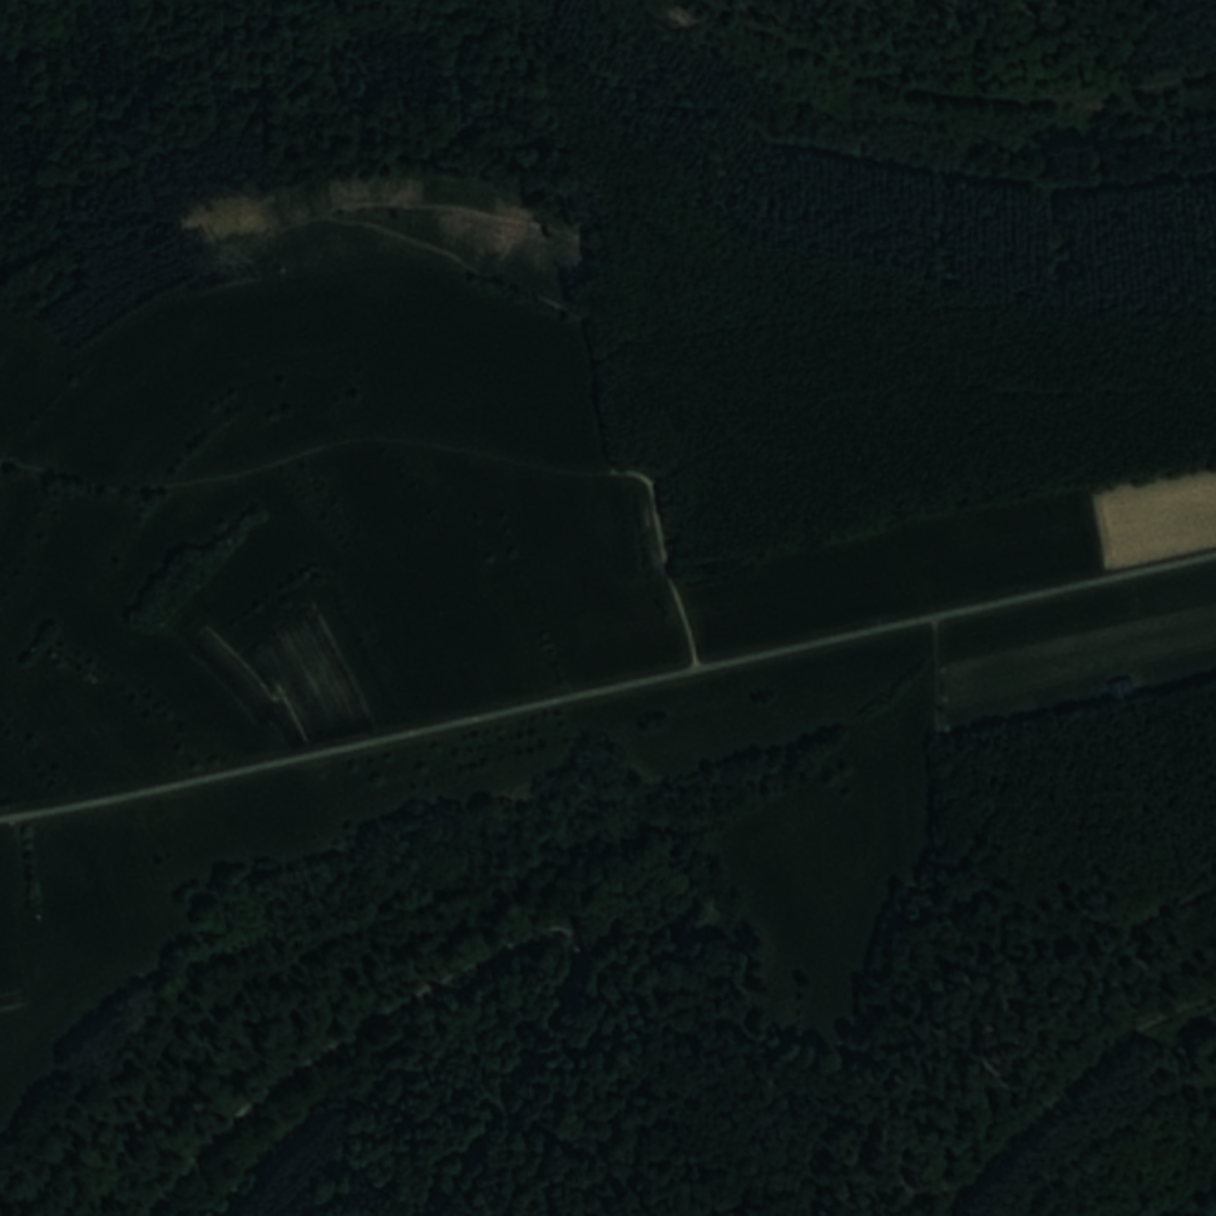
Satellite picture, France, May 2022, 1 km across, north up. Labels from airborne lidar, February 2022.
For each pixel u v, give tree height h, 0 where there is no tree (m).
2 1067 0
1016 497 12
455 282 0
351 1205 35
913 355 19
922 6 32
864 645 0
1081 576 0
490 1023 40
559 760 0
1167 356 18
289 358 0
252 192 25
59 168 29
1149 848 17
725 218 21
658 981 35
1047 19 32
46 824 0
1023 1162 28
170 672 0
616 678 0
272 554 0
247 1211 31
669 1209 32
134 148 32
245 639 0
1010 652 0
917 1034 32
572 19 16
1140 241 18
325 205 0
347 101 20
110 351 0
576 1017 36
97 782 0
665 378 17
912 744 0
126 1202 37
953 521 0
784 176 19
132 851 0
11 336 0
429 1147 37
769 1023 9
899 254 21
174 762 0
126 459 0
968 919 29
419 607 0
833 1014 0
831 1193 33
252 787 0
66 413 0
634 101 18
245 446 0
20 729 0
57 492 11
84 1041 25
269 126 32
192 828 0
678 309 17
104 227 20
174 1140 35
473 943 34
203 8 25
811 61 14
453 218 0
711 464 18
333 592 0
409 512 0
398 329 0
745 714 0
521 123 28
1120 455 18
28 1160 27
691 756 0
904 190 21
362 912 31
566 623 0
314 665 0
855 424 16
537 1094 35
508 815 18
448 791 0
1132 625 0
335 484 0
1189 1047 35
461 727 0
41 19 28
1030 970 29
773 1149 30
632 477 0
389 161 21
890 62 31
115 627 0
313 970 39
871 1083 31
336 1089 19
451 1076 39
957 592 0
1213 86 13
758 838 0
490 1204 36
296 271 0
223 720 0
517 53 29
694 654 0
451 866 27
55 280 17
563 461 0
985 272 21
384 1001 37
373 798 0
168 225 20
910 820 0
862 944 0
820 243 22
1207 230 21
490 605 0
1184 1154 21
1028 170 13
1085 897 25
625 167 18
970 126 7
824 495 17
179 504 0
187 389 0
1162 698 15
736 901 22
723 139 20
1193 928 10
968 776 18
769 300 18
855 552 0
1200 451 18
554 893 35
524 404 0
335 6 30
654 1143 34
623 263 18
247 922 26
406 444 0
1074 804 20
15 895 0
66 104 30
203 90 26
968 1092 30
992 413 16
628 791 26
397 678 0
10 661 0
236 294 0
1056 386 17
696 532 18
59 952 0
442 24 21
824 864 0
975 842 32
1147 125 12
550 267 0
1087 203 19
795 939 0
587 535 0
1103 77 35
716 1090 32
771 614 0
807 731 0
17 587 0
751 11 31
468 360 0
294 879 18
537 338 0
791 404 16
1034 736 16
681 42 15
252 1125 20
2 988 0
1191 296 23
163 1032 17
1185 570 0
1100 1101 27
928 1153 34
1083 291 21
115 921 0
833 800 0
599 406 13
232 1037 32
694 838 20
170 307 0
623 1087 37
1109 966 26
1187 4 30
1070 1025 27
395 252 0
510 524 0
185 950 21
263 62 33
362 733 0
